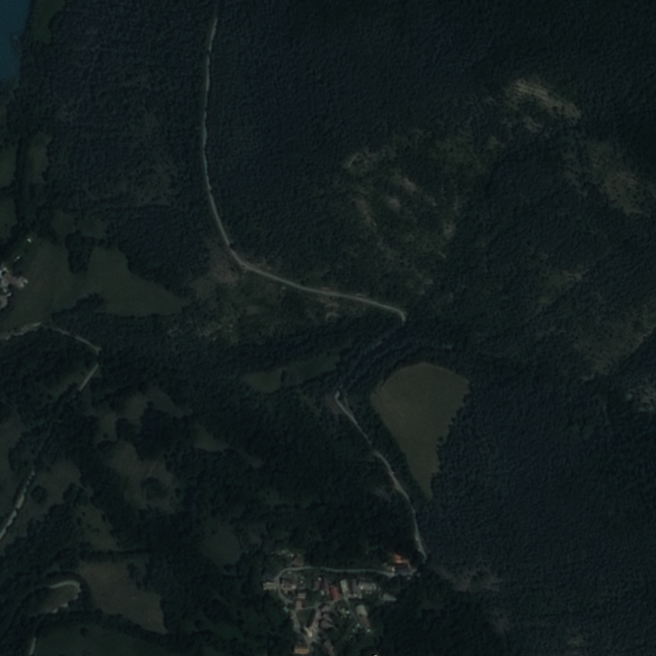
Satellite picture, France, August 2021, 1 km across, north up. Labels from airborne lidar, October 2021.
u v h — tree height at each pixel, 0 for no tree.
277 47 17
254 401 10
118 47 16
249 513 9
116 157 9
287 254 8
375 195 7
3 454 0
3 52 0
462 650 20
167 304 0
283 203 9
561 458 13
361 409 8
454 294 8
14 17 0
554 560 10
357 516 17
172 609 25
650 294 7
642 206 8
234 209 10
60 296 0
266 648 8
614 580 8
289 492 19
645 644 8
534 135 10
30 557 15
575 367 10
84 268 8
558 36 20
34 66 6
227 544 0
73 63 8
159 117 5
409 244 7
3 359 14
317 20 17
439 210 7
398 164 12
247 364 13
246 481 21
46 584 9
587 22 16
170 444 18
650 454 17
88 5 9
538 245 6
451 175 7
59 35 10
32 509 0
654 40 24
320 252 10
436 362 14
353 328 15
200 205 12
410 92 19
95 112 13
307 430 15
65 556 11
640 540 12
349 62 17
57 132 15
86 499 12
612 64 19
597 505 14
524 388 16
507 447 11
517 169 16
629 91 14
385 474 12
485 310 6
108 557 16
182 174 7
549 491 16
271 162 10
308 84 15
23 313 0
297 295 7
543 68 10
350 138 14
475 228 7
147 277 7
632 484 27
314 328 13
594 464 16
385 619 14
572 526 14
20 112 13
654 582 17
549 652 7
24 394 8
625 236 8
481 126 7
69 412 19
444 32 16
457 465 8
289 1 15
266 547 6
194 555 18
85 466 20
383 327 12
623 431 12
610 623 11
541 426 15
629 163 7
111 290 0
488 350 10
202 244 11
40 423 16
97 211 9
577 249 12
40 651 0
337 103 15
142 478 0
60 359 13
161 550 28
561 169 8
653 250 14
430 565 10
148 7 7
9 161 0
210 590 18
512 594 8
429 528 9
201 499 19
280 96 14
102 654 0
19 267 10
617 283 16
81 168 12
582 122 12
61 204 12
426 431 0
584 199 9
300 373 0
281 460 27
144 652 0
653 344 11
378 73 17
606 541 12
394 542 24
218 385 19
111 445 13
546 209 12
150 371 14
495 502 12
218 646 19
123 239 15
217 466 23
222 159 9
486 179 13
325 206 7
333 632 13
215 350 15
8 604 15
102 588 0
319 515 22
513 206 11
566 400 14
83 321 14
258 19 12
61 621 17
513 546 11
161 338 15
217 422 22
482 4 22
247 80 9
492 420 11
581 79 14
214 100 9
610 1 19
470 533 8
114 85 11
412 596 10
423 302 10
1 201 16
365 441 11
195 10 10
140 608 0
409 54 21
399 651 14
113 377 18
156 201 9
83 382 0
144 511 0
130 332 15
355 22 19
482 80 17
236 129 6
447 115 10
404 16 22
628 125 25
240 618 10
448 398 0
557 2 17
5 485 0
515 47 20
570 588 12
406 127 11
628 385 6
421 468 0
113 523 17
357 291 10
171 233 12
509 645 18
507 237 13
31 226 9
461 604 7
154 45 9
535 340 7
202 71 6
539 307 7
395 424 0
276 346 17
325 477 14
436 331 16
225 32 9
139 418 0
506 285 10
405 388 0
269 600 14
